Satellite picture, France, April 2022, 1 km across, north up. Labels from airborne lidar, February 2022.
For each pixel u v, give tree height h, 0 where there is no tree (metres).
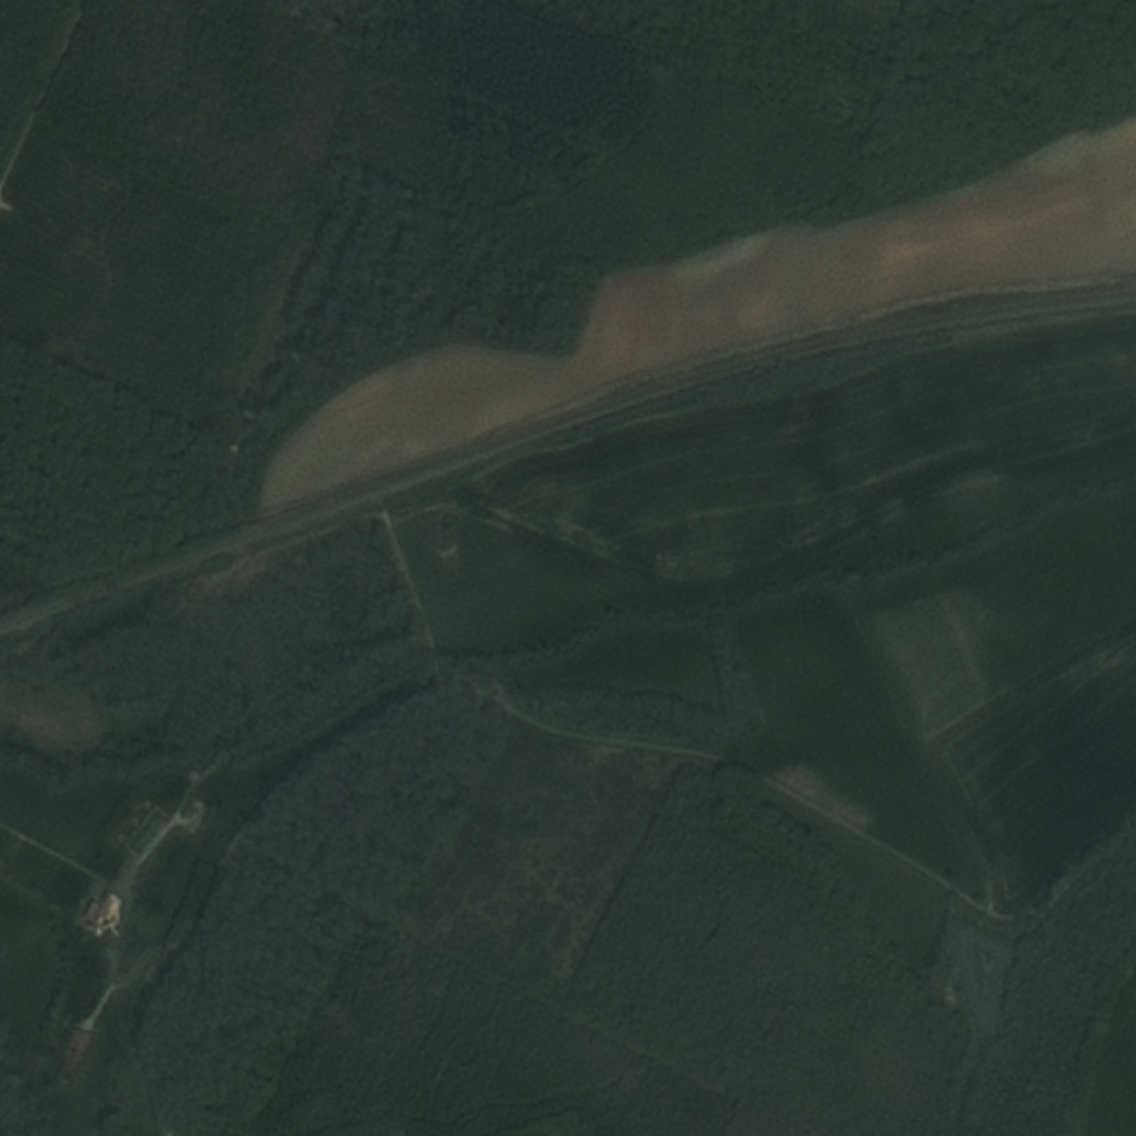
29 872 0
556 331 25
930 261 0
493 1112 6
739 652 18
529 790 0
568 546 0
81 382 24
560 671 0
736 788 20
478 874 0
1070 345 0
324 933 31
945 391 0
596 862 0
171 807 0
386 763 21
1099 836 0
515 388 0
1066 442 0
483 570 0
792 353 0
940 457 0
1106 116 12
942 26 26
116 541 27
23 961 0
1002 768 0
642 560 0
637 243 14
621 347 0
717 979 11
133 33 10
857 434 0
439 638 0
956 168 20
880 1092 13
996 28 26
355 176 27
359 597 14
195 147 11
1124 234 0
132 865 0
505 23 22
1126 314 0
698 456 0
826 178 10
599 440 0
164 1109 21
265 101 12
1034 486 0
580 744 0
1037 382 0
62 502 29
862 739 0
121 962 0
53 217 0
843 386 0
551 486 0
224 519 20
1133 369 0
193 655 30
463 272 19
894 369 0
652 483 0
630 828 0
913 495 0
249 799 0
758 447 0
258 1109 26
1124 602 0
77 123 11
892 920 0
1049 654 0
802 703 0
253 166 13
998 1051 20
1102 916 12
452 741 31
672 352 0
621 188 14
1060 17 26
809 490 0
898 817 0
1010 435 0
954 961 15
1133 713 0
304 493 0
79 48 11
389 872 30
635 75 23
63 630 16
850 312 0
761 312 0
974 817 0
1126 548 0
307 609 21
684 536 0
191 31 12
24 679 0
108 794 0
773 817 22
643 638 0
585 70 24
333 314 27
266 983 30
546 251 13
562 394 0
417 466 0
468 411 0
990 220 0
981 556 0
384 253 24
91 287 0
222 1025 34
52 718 0
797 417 0
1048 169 0
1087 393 0
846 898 15
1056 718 0
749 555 0
